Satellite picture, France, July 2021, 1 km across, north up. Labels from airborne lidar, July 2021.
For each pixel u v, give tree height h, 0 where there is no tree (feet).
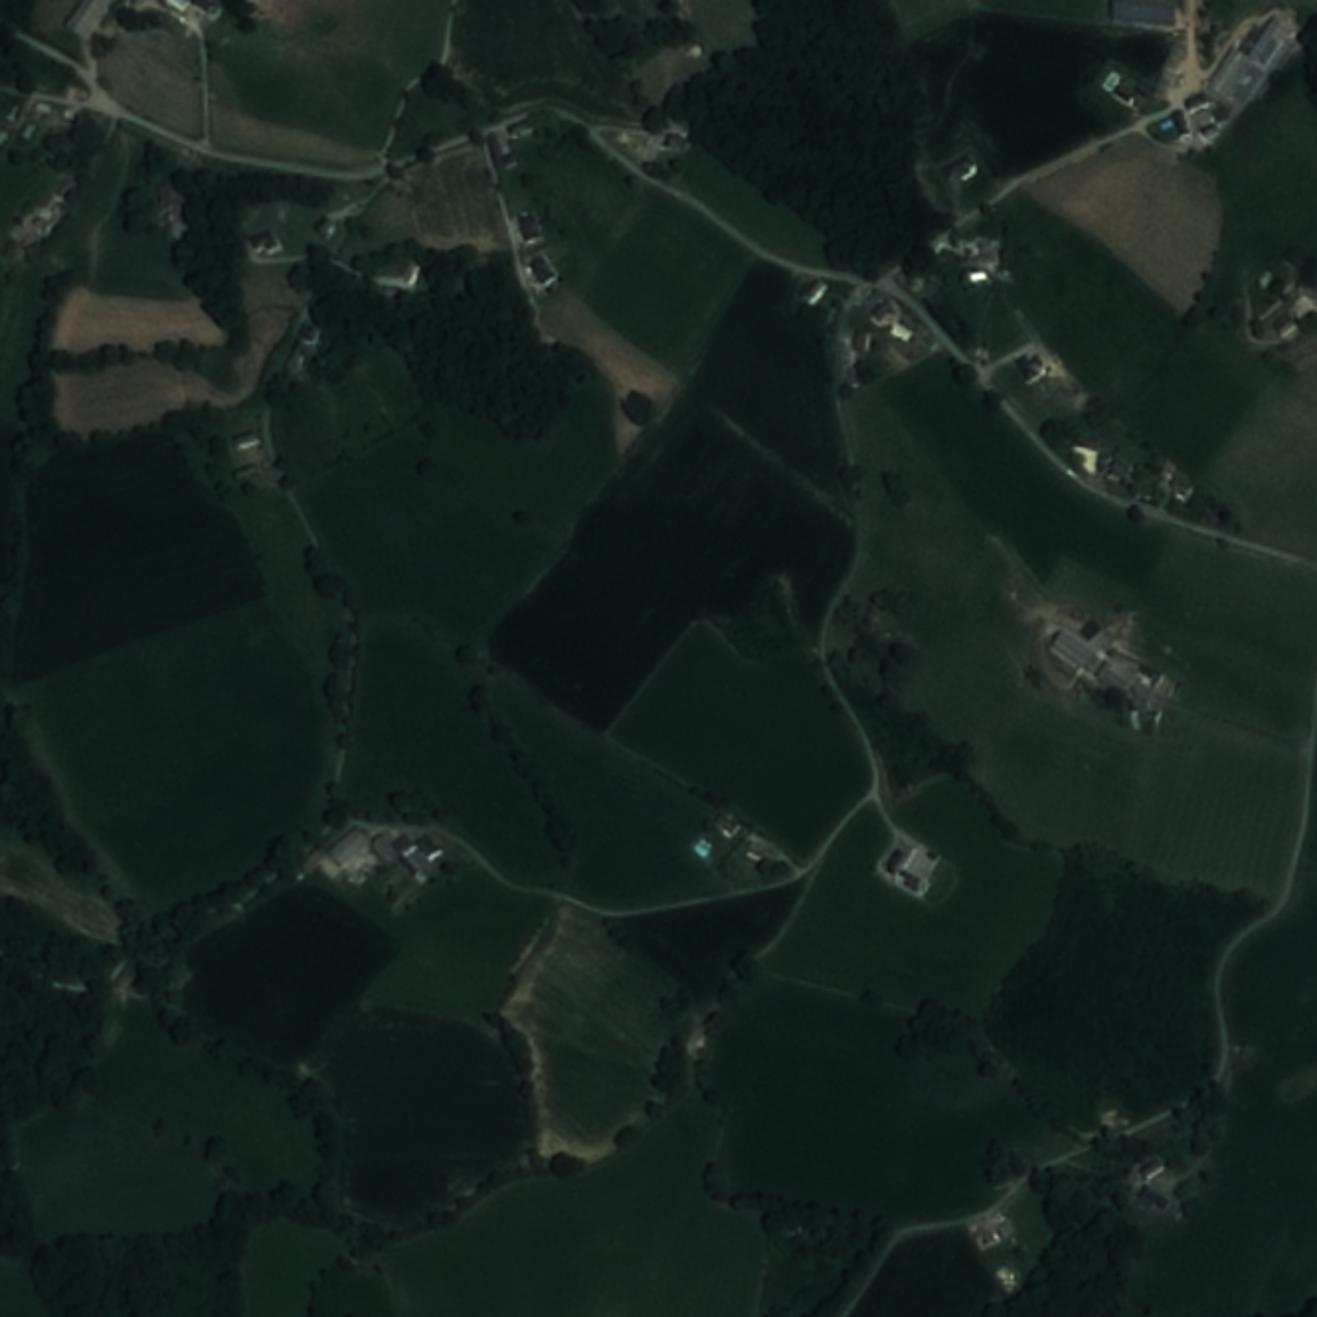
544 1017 0
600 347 0
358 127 0
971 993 0
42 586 0
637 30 59
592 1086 0
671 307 0
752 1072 0
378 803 0
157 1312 33
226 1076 0
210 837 0
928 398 0
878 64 78
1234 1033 0
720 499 0
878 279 51
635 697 0
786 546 0
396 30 0
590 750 0
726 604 0
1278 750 0
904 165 79
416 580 0
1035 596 0
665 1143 0
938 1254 0
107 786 0
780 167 64
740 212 0
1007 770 0
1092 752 0
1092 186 0
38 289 0
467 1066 0
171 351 53
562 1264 0
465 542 0
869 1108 0
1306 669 0
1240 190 0
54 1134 0
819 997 0
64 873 61
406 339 77
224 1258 36
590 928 0
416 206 0
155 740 0
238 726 0
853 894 0
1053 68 0
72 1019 20
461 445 0
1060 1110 50
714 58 0
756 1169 0
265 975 0
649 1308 0
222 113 0
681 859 0
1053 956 26
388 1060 0
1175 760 0
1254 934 0
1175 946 27
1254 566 0
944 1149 0
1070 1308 103
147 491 0
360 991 0
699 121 62
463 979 0
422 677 0
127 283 0
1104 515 0
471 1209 33
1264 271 0
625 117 0
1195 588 0
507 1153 0
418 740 0
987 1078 59
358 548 0
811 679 0
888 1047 0
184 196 55
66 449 69
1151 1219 0
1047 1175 54
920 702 0
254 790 0
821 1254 25
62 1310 52
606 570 0
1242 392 0
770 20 40
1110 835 0
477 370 88
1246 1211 0
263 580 0
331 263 64
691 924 0
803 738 0
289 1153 0
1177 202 0
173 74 0
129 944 65
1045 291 0
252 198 64
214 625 0
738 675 0
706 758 0
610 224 0
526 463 0
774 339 0
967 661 0
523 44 0
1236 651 0
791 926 0
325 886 0
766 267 0
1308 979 0
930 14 0
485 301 88
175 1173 0
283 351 24
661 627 0
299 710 0
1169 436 0
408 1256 0
